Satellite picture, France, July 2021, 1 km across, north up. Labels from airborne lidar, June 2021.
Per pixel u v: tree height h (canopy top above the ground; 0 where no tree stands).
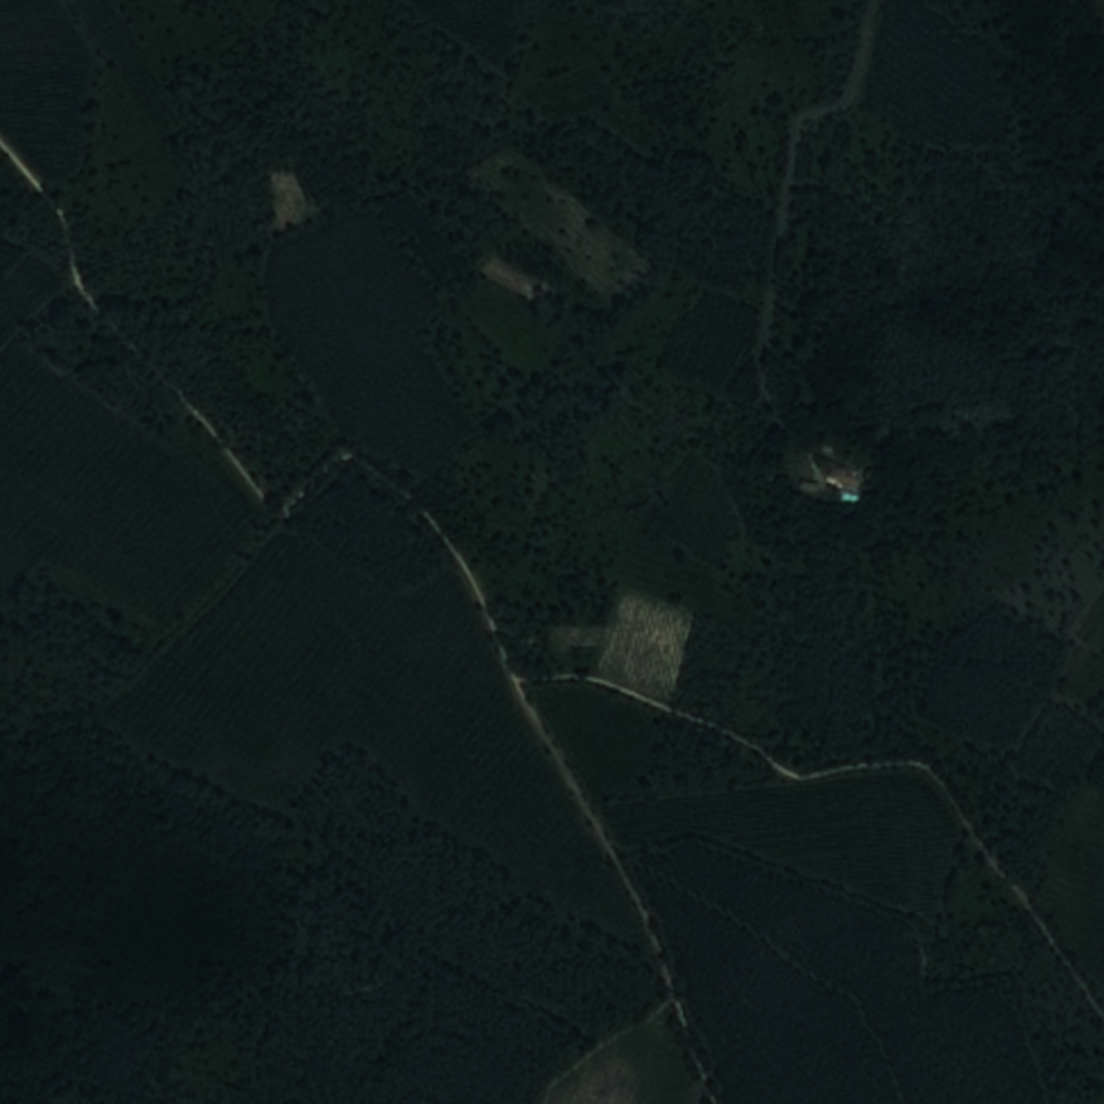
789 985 12
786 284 7
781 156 8
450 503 7
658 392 27
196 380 13
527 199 9
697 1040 12
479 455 0
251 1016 12
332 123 7
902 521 18
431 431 6
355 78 9
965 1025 10
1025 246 16
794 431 21
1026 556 0
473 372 7
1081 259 22
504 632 10
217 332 11
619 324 27
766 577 9
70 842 14
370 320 7
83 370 10
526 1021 19
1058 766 14
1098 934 0
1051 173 18
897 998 11
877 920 10
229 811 12
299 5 19
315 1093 17
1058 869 0
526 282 0
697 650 11
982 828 9
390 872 24
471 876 25
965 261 13
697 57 8
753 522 11
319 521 18
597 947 23
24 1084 15
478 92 26
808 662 11
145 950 17
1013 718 17
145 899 16
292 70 12
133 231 6
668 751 22
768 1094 11
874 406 15
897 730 14
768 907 11
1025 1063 13
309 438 6
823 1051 11
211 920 21
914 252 16
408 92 6
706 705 9
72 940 17
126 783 13
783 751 10
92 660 21
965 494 8
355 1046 24
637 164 20
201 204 26
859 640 10
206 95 22
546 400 25
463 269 10
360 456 16
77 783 14
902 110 6
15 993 21
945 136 6
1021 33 10
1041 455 12
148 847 14
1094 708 15
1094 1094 23
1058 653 16
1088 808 0
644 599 0
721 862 11
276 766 0
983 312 16
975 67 7
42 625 25
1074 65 23
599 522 0
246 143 16
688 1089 0
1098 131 21
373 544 20
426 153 6
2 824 17
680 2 9
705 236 12
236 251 7
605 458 9
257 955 11
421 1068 18
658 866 11
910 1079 11
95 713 7
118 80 0
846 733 14
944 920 8
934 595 0
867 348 19
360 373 7
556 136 15
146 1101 14
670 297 8
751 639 6
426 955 23
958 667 19
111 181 7
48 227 11
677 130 9
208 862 15
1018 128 6
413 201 11
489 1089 16
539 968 20
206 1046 8
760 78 0
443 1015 21
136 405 7
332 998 26
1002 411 12
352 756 20
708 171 17
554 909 23
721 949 12
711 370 10
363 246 7
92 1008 18
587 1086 0
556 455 27
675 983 9
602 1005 19
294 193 0
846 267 16
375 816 21
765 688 10
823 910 11
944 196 6
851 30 8
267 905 14
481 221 25
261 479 10
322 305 6
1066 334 26
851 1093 12
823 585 11
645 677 0
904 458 24
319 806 19
